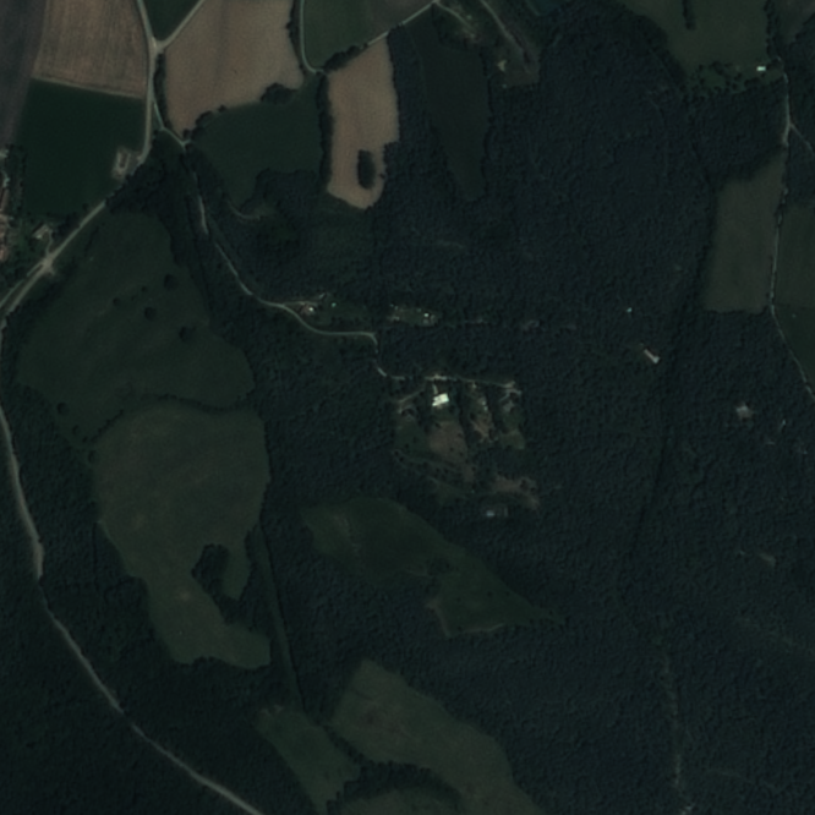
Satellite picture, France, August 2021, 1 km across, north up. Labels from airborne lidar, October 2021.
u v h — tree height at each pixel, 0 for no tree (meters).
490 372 12
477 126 0
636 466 8
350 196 0
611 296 15
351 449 11
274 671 14
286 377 11
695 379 12
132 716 23
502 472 7
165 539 0
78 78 0
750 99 11
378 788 14
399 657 14
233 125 0
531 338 11
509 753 11
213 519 0
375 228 13
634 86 21
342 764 0
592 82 16
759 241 0
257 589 14
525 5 9
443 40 9
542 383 12
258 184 9
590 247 15
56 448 11
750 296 0
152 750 20
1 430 9
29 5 0
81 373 0
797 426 14
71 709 24
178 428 0
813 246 0
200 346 0
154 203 13
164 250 0
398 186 20
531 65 0
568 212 19
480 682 15
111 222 0
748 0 0
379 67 0
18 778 22
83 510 12
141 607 23
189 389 0
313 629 9
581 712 11
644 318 9
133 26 0
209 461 0
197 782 12
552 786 8
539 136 13
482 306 11
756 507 11
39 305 12
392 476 6
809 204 7
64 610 22
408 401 0
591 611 19
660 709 16
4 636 19
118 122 0
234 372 0
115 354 0
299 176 12
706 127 16
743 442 12
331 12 0
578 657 15
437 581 6
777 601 8
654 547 11
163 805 17
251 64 0
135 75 0
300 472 13
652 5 0
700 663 11
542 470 14
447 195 7
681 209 13
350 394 7
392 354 13
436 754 0
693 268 9
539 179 14
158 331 0
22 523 10
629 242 13
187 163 15
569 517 11
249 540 10
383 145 0
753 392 8
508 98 10
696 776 5
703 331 14
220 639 0
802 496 11
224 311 16
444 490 0
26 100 0
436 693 13
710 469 15
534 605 10
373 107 0
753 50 0
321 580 14
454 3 0
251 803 10
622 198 16
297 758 0
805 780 15
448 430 0
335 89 0
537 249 15
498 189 17
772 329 11
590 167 15
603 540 11
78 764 28
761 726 8
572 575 8
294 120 0
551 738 8
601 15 13
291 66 0
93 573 16
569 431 15
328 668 20
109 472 0
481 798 0
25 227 0
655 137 18
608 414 11
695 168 16
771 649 6
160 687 23
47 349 0
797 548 10
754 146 12
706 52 0
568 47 8
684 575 11
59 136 0
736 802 7
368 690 0
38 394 12
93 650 20
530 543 12
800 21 0
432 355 13
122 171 0
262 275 9
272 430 14
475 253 17
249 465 0
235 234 7
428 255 13
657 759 17
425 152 21
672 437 14
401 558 0
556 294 15
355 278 6
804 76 11
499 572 7
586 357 10
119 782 25
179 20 0
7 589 18
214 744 19
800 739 13
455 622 0
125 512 0
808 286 0
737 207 0
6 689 24
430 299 9
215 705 17
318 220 6
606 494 12
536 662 16
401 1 0
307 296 7
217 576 14
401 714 0
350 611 15
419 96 13
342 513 0
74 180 0
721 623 10
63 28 0
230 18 0
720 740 9
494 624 0
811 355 0
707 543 13
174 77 0
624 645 15
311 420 11
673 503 10
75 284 0
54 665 21
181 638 0
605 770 19
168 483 0
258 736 16
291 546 16
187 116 0
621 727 17
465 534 11
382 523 0
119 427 0
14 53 0
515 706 10
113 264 0
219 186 13
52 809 17
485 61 11
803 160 11
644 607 15
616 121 18
